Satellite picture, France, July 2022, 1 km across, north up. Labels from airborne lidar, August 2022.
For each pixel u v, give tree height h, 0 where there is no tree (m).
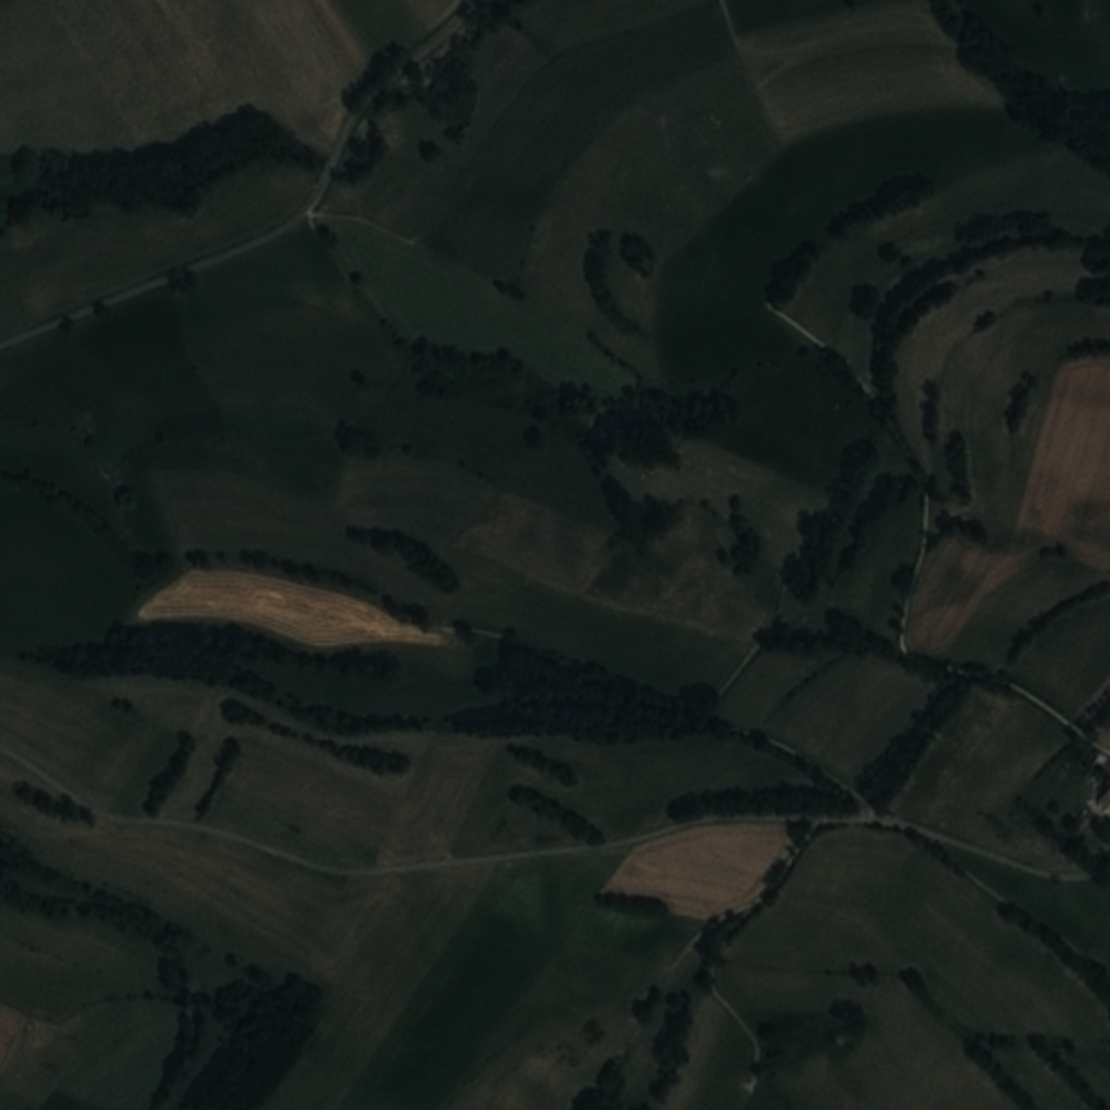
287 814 0
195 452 0
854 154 0
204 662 28
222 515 0
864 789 16
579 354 0
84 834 0
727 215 0
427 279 0
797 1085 0
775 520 0
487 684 24
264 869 0
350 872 0
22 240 0
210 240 0
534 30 0
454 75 6
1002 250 17
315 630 0
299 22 0
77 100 0
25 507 0
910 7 0
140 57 0
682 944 0
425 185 0
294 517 0
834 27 0
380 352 0
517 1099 0
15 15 0
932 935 0
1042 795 0
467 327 0
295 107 0
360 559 0
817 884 0
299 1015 12
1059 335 0
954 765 0
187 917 0
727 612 0
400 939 0
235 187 0
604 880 0
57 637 0
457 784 0
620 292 0
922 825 0
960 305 0
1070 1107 0
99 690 0
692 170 0
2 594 0
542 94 0
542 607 0
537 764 15
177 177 22
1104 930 0
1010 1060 0
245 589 0
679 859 0
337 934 0
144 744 0
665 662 0
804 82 0
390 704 0
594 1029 0
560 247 0
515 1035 0
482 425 0
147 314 0
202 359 0
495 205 0
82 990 0
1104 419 0
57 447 0
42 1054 0
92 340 0
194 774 0
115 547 10
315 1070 0
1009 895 0
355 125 0
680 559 0
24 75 0
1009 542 0
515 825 0
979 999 0
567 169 0
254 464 0
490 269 0
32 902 7
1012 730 0
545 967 0
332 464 0
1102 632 0
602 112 0
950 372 0
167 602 0
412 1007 0
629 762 0
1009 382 0
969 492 17
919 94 0
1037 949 0
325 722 22
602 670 12
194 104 0
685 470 0
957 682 15
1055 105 9
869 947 0
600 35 0
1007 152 0
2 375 0
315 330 0
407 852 0
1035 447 0
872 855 0
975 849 0
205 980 0
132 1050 0
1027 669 0
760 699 0
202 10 0
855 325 0
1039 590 0
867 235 0
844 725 0
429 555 15
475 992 0
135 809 0
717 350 0
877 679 0
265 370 0
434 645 0
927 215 0
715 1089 0
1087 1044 0
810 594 18
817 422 0
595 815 0
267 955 0
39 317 0
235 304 0
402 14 0
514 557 0
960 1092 0
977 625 0
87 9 0
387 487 0
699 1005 0
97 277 0
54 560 0
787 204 0
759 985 0
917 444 0
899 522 0
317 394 0
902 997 0
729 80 0
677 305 0
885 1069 0
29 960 0
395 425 0
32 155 15
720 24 0
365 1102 0
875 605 0
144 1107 0
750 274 0
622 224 0
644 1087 0
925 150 0
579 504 0
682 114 0
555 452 0
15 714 0
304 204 0
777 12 0
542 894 0
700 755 0
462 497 0
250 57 0
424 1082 0
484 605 0
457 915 0
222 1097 13
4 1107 0
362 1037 0
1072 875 0
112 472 0
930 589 0
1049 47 0
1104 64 0
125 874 0
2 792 0
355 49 0
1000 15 0
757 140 0
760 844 0
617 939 0
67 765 0
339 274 0
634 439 37
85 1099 0
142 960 0
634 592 0
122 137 0
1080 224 0
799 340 0
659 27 0
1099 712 16
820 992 0
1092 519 0
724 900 0
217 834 0
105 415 0
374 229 0
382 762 15
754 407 0
